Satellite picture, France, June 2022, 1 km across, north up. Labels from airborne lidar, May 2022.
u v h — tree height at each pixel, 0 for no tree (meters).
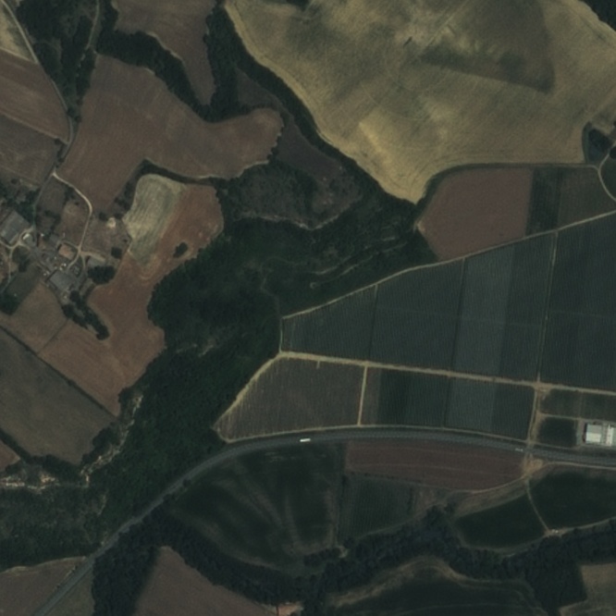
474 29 0
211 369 14
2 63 0
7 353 0
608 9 15
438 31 0
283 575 26
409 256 9
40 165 0
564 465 0
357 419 0
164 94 0
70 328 0
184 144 0
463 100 0
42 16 13
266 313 6
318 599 7
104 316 0
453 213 0
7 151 0
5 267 0
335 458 0
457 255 0
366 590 0
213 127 0
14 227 0
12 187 7
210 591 0
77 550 15
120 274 0
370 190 6
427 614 0
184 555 18
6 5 0
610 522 9
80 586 0
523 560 22
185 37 0
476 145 0
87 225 0
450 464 0
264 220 10
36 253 0
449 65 0
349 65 0
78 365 0
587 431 0
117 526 6
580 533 17
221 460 0
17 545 8
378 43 0
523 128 0
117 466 14
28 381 0
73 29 10
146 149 0
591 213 0
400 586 0
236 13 0
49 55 13
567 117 0
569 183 0
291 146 0
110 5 11
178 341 9
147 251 0
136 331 0
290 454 0
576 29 0
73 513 6
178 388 22
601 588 0
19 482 0
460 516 0
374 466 0
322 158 0
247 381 10
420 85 0
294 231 10
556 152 0
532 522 0
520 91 0
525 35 0
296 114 8
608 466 0
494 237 0
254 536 0
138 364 0
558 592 12
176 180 10
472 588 0
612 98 0
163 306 11
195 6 0
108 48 15
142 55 17
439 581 0
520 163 0
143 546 18
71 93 10
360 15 0
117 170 0
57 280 0
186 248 7
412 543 32
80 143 0
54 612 0
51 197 0
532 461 0
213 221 0
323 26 0
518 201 0
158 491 18
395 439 0
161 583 0
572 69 0
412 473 0
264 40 0
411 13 0
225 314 18
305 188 9
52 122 0
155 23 0
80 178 0
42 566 0
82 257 0
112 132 0
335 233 11
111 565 22
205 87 0
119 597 19
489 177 0
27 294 0
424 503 0
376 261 6
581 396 0
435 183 0
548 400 0
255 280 10
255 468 0
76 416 0
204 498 0
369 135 0
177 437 16
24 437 0
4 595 0
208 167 0
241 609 0
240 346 15
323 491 0
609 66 0
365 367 0
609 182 0
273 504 0
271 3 0
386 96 0
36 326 0
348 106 0
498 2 0
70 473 12
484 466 0
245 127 0
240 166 0
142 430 16
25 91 0
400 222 7
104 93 0
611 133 0
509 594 0
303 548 0
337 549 9
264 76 16
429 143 0
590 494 0
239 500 0
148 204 0
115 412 0
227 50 11
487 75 0
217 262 6
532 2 0
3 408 0
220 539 0
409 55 0
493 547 0
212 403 17
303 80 0
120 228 0
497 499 0
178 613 0
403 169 0
